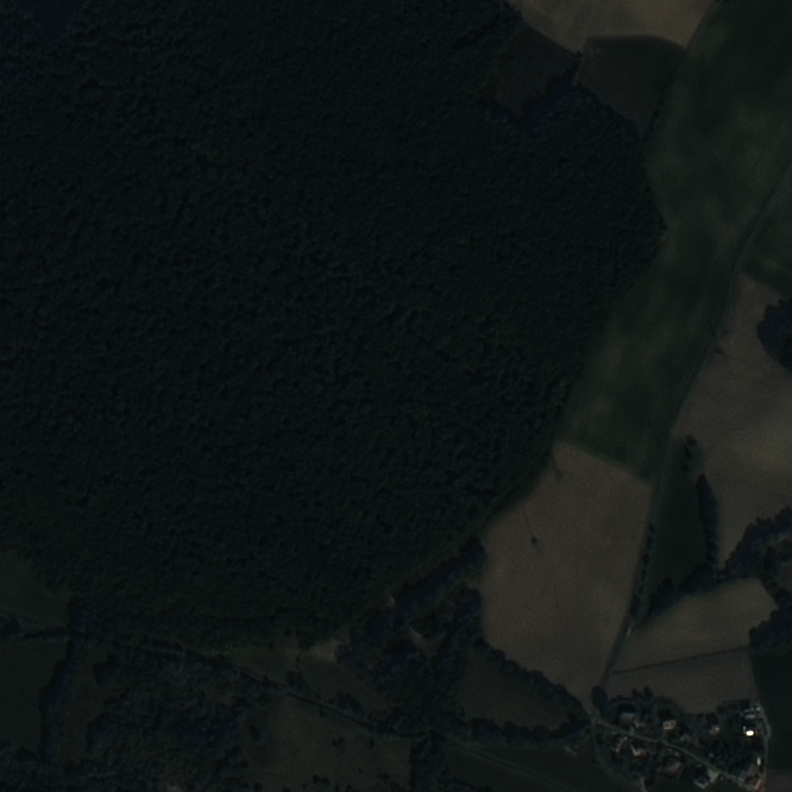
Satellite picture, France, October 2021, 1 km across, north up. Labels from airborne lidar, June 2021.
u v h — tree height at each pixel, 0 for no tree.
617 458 0
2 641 20
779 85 0
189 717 7
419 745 11
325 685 0
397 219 25
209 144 21
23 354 20
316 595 23
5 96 19
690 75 0
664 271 0
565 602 0
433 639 8
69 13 23
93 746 16
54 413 25
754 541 14
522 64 0
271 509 26
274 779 0
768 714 0
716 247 0
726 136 0
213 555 24
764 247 0
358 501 25
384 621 13
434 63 26
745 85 0
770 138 0
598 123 26
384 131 23
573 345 20
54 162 23
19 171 23
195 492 25
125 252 22
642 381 0
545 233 28
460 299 25
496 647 0
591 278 26
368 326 25
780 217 0
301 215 24
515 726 0
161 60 25
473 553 13
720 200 0
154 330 21
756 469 0
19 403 23
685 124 0
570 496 0
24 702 0
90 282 26
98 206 25
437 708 20
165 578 23
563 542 0
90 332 26
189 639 21
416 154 25
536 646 0
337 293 26
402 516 25
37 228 23
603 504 0
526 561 0
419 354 25
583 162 23
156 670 9
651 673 0
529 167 26
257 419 24
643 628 0
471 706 0
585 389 0
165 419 25
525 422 12
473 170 25
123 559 23
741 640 0
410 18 24
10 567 0
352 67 25
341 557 25
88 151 25
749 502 0
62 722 13
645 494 0
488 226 26
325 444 23
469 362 23
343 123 22
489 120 25
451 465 25
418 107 22
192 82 20
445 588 18
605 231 23
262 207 22
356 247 26
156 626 26
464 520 24
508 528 0
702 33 0
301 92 26
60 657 0
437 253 23
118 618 23
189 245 26
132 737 18
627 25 0
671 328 0
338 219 26
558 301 24
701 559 0
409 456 23
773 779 0
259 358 25
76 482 25
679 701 0
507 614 0
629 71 0
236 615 23
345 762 0
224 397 21
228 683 18
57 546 20
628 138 24
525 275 25
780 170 0
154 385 27
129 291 26
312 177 26
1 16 18
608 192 24
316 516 24
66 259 21
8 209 25
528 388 9
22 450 25
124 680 14
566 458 0
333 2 25
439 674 20
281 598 23
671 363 0
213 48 24
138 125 23
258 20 21
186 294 24
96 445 25
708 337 0
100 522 24
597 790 0
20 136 23
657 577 0
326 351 26
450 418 26
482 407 25
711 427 0
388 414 24
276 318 24
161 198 22
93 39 24
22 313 24
